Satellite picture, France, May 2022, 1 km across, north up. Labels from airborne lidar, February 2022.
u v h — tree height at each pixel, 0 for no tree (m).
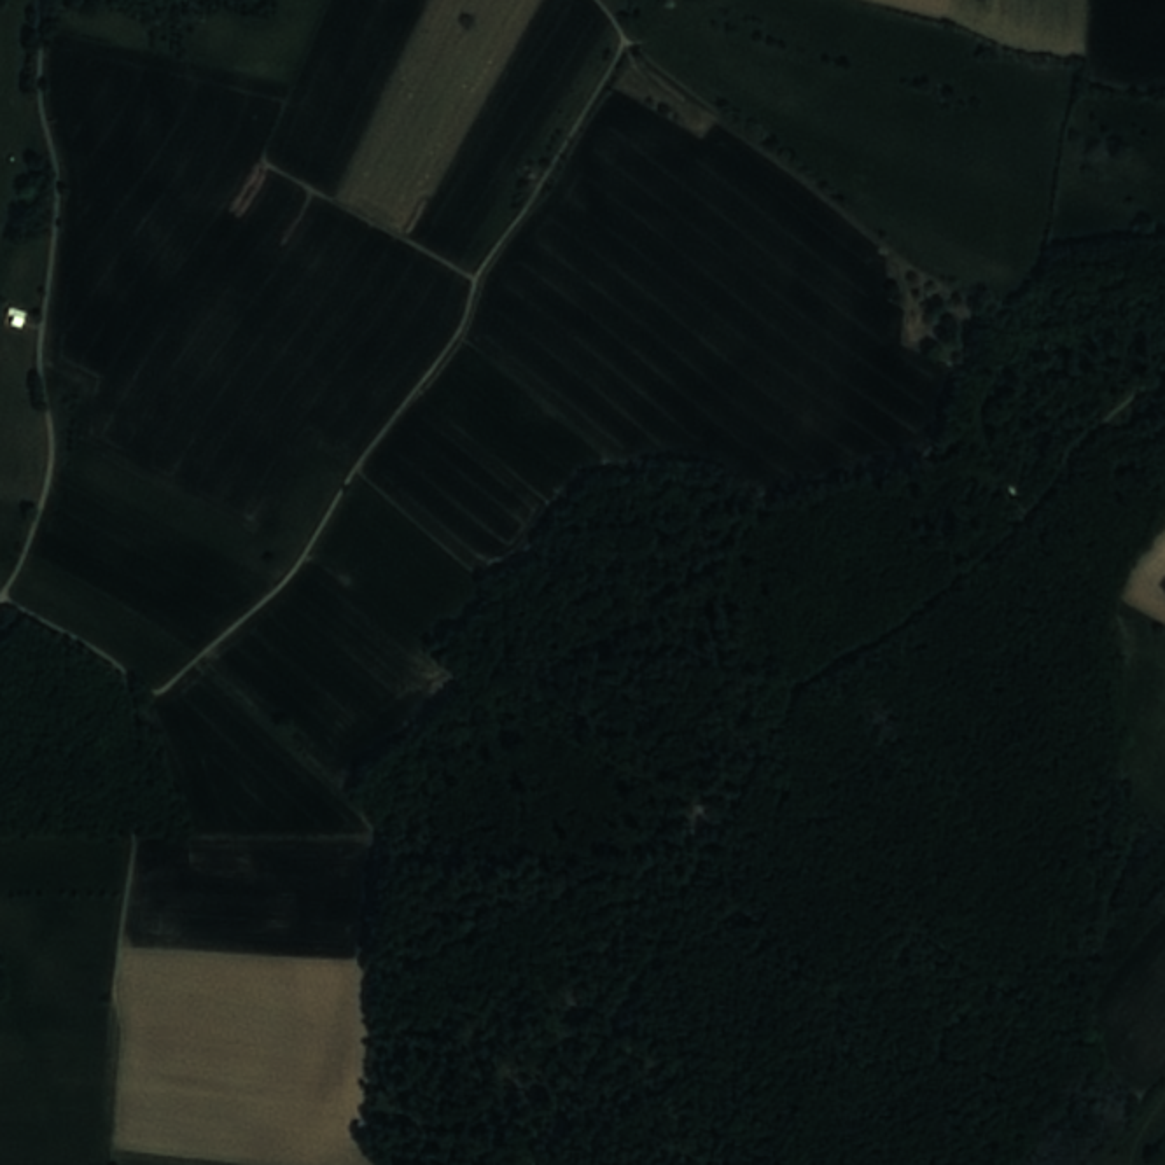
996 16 0
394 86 0
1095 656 20
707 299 0
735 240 0
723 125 0
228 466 0
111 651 0
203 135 0
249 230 0
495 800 12
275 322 0
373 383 0
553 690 28
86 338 0
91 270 0
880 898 24
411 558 0
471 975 25
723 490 20
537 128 0
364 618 0
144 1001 0
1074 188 0
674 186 0
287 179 0
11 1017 0
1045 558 17
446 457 0
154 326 0
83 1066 0
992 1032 20
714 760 32
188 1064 0
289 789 0
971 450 8
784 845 21
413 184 0
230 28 0
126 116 0
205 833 0
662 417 0
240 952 0
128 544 0
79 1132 0
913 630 16
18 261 0
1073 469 13
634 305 0
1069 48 0
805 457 0
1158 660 0
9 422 0
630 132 0
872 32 0
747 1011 21
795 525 17
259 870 0
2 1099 0
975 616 17
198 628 0
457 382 0
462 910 30
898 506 12
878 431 0
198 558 0
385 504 0
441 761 27
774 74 0
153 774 19
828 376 0
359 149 0
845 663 18
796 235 0
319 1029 0
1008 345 7
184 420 0
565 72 0
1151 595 0
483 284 0
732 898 18
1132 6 0
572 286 0
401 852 13
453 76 0
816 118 0
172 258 0
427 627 0
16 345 0
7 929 0
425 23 0
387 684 0
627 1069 25
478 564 0
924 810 24
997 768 21
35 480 0
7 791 25
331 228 0
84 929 0
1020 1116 23
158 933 0
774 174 0
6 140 0
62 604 0
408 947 27
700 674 27
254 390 0
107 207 0
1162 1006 0
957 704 21
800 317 0
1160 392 33
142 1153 0
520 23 0
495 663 20
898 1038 22
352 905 0
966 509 11
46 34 10
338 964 0
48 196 12
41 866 0
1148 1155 13
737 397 0
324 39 0
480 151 0
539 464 0
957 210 0
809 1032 24
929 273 0
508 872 35
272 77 0
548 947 23
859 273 0
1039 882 21
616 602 29
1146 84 0
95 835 18
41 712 21
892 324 0
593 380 0
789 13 0
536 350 0
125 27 0
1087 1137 20
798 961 21
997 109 0
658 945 21
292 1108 0
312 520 0
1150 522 14
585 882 25
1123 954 17
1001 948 25
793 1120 23
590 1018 21
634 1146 25
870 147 0
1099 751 19
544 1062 18
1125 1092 10
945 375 0
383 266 0
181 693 0
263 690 0
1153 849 20
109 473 0
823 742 20
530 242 0
